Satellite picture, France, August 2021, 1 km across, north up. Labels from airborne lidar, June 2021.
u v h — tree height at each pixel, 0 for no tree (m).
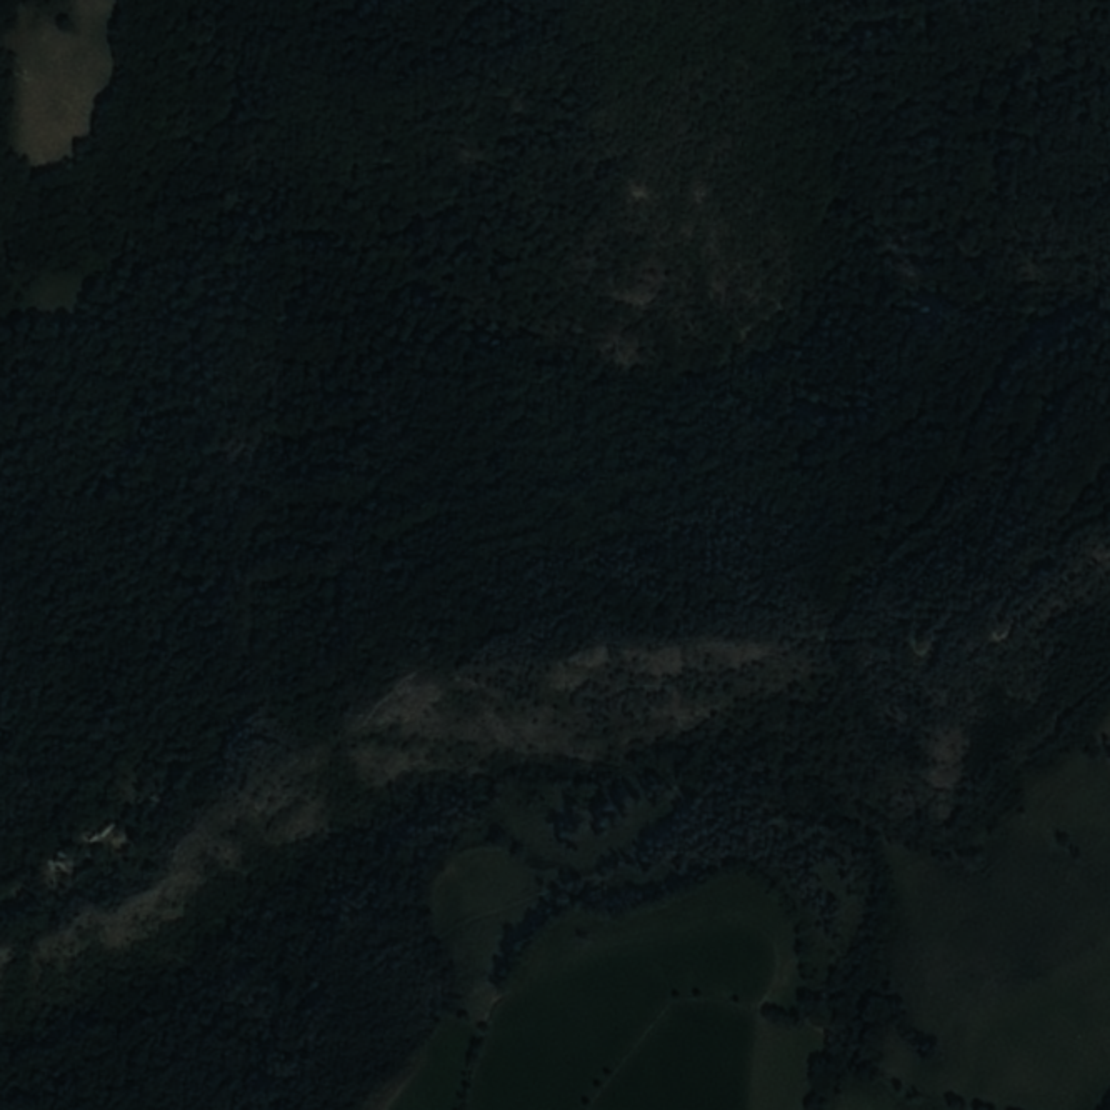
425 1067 0
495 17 27
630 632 11
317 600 10
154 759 12
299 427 17
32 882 9
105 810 18
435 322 29
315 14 30
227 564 23
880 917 19
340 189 25
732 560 16
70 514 21
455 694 6
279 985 17
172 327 11
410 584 25
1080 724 20
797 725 20
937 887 0
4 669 26
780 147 18
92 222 20
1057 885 0
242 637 15
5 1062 20
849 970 11
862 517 21
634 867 12
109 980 16
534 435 24
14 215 19
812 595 20
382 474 23
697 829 11
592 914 14
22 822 19
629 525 17
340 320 22
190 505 24
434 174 27
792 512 18
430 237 33
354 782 7
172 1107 19
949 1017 0
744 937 0
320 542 17
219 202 27
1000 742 12
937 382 27
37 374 25
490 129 19
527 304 22
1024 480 16
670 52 12
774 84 15
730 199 8
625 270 12
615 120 6
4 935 11
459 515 23
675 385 15
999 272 26
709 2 11
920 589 15
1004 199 14
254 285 16
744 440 20
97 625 20
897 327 30
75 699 18
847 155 21
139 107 24
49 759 17
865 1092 0
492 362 23
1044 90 26
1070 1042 0
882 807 13
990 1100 0
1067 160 27
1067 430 23
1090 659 23
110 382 30
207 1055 19
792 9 19
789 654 7
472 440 25
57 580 19
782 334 29
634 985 0
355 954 12
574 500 23
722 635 10
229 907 22
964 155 30
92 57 0
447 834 12
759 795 11
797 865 16
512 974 13
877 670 13
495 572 14
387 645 17
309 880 16
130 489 19
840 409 31
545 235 22
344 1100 18
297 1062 16
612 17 9
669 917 0
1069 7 24
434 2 31
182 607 24
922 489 30
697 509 16
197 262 11
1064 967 0
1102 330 38
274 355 11
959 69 13
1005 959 0
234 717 7
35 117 0
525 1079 0
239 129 20
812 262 16
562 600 9
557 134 27
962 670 11
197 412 16
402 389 21
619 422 22
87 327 30
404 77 24
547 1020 0
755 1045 0
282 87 25
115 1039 22
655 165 6
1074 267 17
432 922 12
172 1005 21
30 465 20
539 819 0
